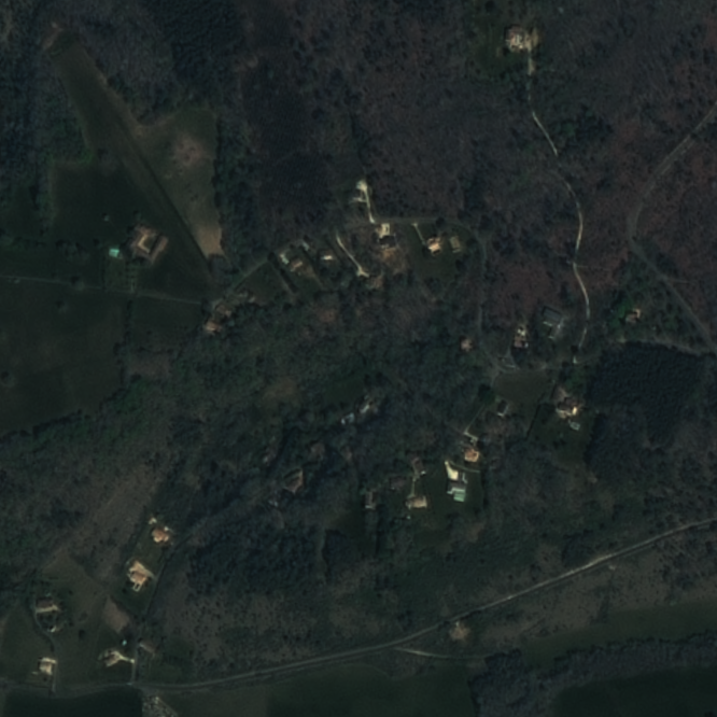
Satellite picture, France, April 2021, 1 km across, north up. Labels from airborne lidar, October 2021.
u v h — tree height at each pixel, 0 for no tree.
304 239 10
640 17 11
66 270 0
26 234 0
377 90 8
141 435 17
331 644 6
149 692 0
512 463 21
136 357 15
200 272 0
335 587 11
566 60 12
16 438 14
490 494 20
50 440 23
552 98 8
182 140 0
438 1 11
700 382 18
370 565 12
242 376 25
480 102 13
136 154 0
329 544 17
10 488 27
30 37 10
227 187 19
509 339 6
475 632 9
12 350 0
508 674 13
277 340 15
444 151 8
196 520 8
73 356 0
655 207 6
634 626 0
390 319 17
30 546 22
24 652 0
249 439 5
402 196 14
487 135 11
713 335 7
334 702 0
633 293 14
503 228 12
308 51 10
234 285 12
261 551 16
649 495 10
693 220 5
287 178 6
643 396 21
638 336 18
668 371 21
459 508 0
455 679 0
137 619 6
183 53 18
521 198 14
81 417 10
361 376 10
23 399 0
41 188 16
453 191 7
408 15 20
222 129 12
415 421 20
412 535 8
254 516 18
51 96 20
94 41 19
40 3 7
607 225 6
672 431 21
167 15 25
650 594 0
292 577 16
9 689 10
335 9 11
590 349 13
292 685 0
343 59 13
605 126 12
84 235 0
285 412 14
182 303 0
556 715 0
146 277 0
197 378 23
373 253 13
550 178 15
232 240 16
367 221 16
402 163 7
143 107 18
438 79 7
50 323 0
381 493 9
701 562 11
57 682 0
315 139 15
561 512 19
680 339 14
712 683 0
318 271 9
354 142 10
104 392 0
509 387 0
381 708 0
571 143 14
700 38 7
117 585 0
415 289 19
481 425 12
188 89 22
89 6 18
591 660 11
